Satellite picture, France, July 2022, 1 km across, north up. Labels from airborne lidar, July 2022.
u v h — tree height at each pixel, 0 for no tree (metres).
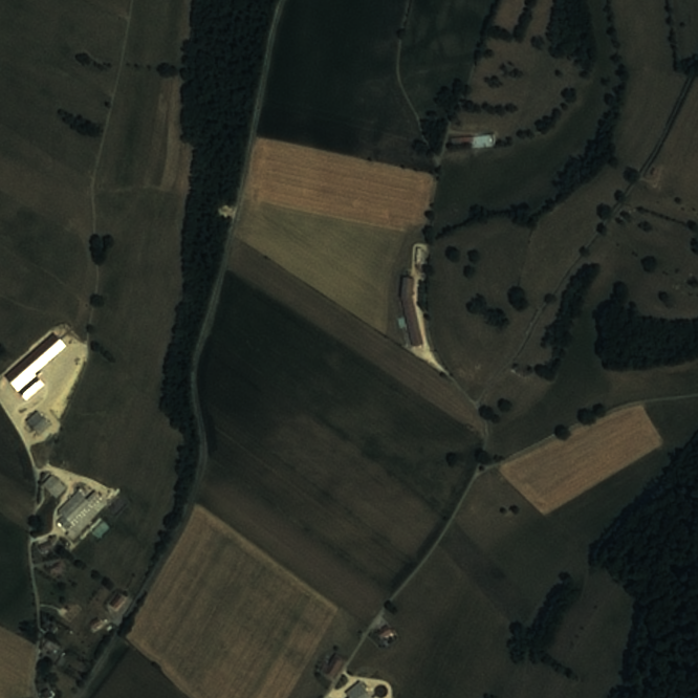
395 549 0
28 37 0
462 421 0
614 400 0
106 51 0
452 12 0
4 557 0
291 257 0
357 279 0
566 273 0
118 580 0
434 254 0
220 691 0
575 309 20
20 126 0
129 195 0
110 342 0
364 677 0
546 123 13
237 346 0
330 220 0
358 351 0
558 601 17
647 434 0
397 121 0
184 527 0
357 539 0
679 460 22
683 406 0
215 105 22
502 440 0
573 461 0
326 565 0
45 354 0
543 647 14
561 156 0
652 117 0
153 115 0
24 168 0
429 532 0
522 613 0
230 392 0
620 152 0
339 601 0
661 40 0
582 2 17
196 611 0
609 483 0
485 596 0
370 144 0
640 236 0
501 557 0
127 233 0
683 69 8
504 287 0
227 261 0
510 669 0
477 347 0
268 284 0
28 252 0
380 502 0
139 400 0
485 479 0
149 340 0
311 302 0
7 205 0
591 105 0
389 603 8
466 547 0
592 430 0
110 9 0
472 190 0
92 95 0
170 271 0
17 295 0
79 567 12
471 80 0
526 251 0
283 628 0
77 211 0
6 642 0
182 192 0
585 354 0
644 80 0
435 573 0
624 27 0
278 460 0
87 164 0
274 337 0
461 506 0
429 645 0
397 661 0
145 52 0
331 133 0
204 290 17
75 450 0
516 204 0
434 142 10
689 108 0
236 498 0
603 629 0
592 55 18
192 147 8
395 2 0
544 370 17
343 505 0
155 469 0
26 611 0
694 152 0
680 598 31
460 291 0
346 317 0
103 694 0
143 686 0
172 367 22
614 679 0
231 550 0
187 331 22
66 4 0
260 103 0
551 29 12
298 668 0
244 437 0
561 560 0
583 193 0
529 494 0
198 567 0
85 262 0
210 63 21
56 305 0
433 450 0
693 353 23
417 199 0
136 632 0
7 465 0
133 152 0
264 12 17
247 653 0
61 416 0
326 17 0
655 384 0
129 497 0
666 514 31
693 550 34
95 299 11
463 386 0
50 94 0
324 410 0
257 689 0
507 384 0
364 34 0
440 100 10
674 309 0
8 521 0
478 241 0
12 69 0
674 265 0
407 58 0
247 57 9
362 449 0
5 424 0
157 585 0
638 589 29
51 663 15
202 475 0
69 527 0
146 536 0
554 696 0
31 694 0
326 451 0
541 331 0
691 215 0
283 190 0
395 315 0
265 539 0
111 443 0
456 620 0
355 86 0
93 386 0
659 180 0
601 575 0
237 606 0
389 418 0
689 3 0
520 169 0
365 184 0
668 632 22
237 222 0
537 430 0
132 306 0
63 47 0
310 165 0
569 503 0
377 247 0
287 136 0
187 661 0
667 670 26
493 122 0
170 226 0
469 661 0
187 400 18
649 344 14
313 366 0
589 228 0
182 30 0
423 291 9
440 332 0
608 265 0
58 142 0
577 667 0
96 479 0
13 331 0
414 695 0
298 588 0
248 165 0
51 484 0
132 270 0
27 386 0
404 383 0
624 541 25
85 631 0
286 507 0
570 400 0
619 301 17
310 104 0
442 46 0
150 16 0
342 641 0
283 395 0
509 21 0
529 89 0
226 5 17
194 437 14
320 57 0
